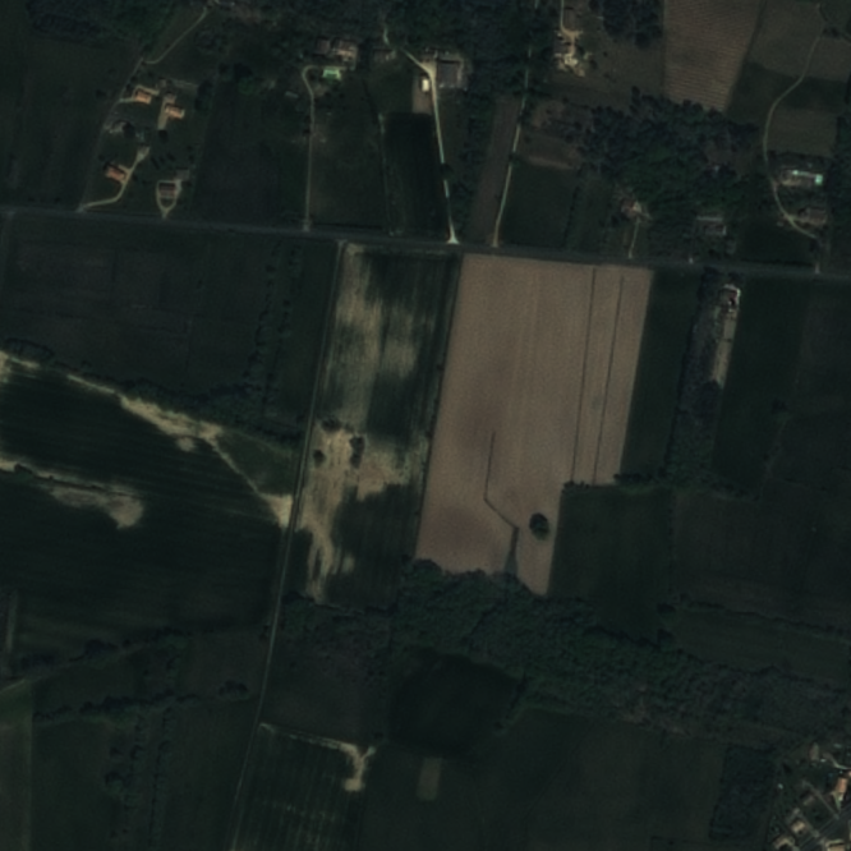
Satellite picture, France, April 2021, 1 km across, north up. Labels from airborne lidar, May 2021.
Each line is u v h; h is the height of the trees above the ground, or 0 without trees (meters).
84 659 6
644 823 0
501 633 12
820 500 0
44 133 0
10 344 7
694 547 0
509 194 0
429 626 14
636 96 7
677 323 0
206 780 0
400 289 0
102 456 0
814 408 0
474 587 12
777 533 0
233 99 0
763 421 0
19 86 0
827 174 9
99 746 0
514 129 0
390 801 0
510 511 0
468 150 7
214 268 0
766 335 0
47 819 0
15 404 0
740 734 0
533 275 0
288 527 0
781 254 0
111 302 0
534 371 0
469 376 0
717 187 22
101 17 20
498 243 0
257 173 0
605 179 11
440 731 0
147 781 0
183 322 0
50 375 0
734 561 0
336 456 0
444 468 0
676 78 0
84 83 0
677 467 19
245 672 0
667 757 0
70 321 0
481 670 0
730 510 0
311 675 0
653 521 0
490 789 0
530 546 0
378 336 0
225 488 0
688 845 0
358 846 0
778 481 0
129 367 0
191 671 0
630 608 0
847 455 0
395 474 0
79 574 0
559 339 0
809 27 0
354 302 0
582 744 0
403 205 0
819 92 0
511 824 0
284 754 0
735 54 0
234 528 0
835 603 0
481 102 20
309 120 6
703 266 0
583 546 0
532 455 0
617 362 0
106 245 0
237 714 0
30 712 0
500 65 19
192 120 0
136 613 0
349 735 0
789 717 13
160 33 12
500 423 0
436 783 0
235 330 0
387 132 0
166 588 0
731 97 0
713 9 0
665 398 0
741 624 0
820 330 0
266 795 0
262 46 0
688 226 7
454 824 0
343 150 0
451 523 0
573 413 0
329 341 0
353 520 0
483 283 0
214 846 0
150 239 0
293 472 0
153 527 0
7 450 0
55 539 0
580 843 0
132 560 0
